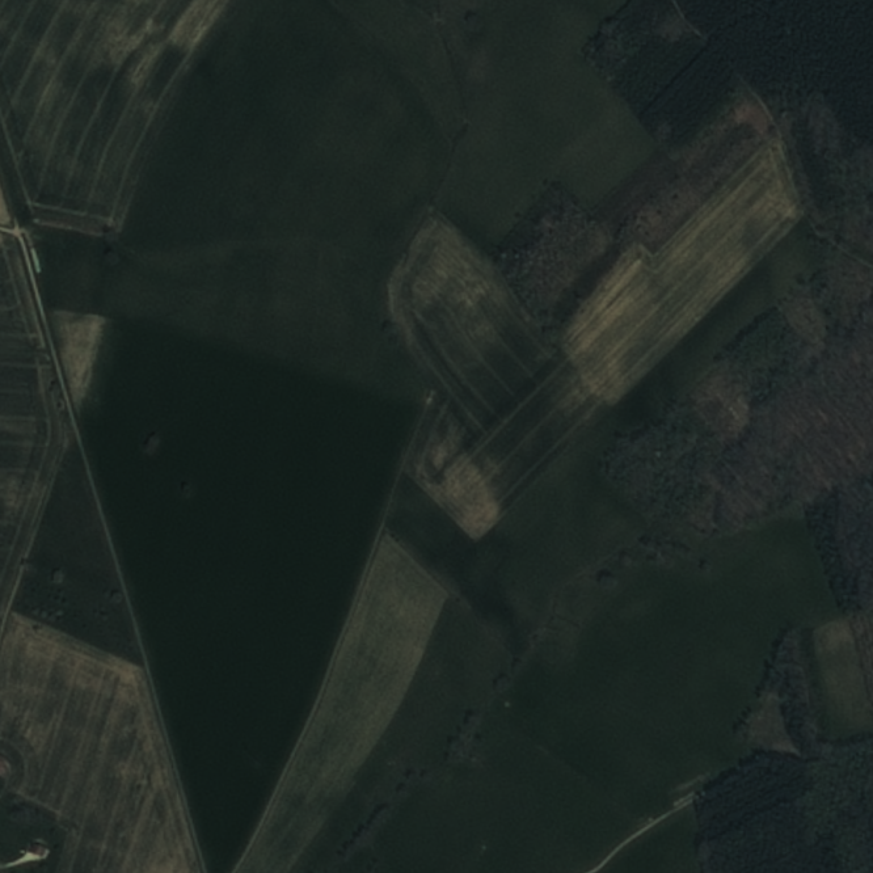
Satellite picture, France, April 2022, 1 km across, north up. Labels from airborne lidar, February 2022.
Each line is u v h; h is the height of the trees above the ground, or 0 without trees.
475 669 0
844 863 24
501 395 0
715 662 0
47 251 0
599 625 0
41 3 0
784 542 0
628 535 0
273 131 0
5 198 0
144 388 0
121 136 0
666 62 9
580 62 0
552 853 0
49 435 0
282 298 0
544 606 0
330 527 0
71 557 0
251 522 0
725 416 0
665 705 0
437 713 0
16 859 0
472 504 0
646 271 0
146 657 0
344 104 0
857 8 22
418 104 0
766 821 26
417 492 0
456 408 0
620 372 0
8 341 0
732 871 26
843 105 26
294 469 0
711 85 21
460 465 0
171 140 0
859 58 21
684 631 0
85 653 0
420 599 0
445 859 0
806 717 22
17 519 0
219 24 0
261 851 0
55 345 0
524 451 0
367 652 0
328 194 0
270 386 0
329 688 0
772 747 0
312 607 0
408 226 0
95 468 0
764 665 0
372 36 0
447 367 0
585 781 0
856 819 24
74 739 0
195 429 0
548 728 0
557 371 0
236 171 0
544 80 0
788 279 0
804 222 0
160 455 0
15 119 0
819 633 0
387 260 0
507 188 0
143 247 0
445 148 0
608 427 0
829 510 22
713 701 0
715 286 0
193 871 0
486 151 0
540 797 0
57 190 0
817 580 0
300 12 0
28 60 0
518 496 0
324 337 0
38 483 0
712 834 18
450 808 0
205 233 0
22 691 0
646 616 0
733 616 0
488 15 0
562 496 0
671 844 0
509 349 0
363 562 0
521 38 0
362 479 0
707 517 0
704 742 0
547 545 0
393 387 0
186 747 0
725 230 0
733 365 7
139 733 0
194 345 0
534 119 0
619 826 0
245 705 0
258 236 0
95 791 0
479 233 0
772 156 0
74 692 0
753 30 25
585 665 0
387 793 0
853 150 15
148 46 0
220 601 0
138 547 0
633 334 0
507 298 0
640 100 8
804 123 10
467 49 0
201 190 0
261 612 0
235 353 0
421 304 0
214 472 0
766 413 29
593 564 0
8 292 0
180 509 0
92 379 0
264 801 0
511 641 0
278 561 0
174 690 0
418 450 0
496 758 0
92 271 0
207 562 0
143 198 0
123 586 0
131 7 0
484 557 0
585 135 0
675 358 0
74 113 0
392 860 0
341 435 0
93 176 0
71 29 0
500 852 0
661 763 0
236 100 0
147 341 0
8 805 0
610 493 0
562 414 0
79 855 0
